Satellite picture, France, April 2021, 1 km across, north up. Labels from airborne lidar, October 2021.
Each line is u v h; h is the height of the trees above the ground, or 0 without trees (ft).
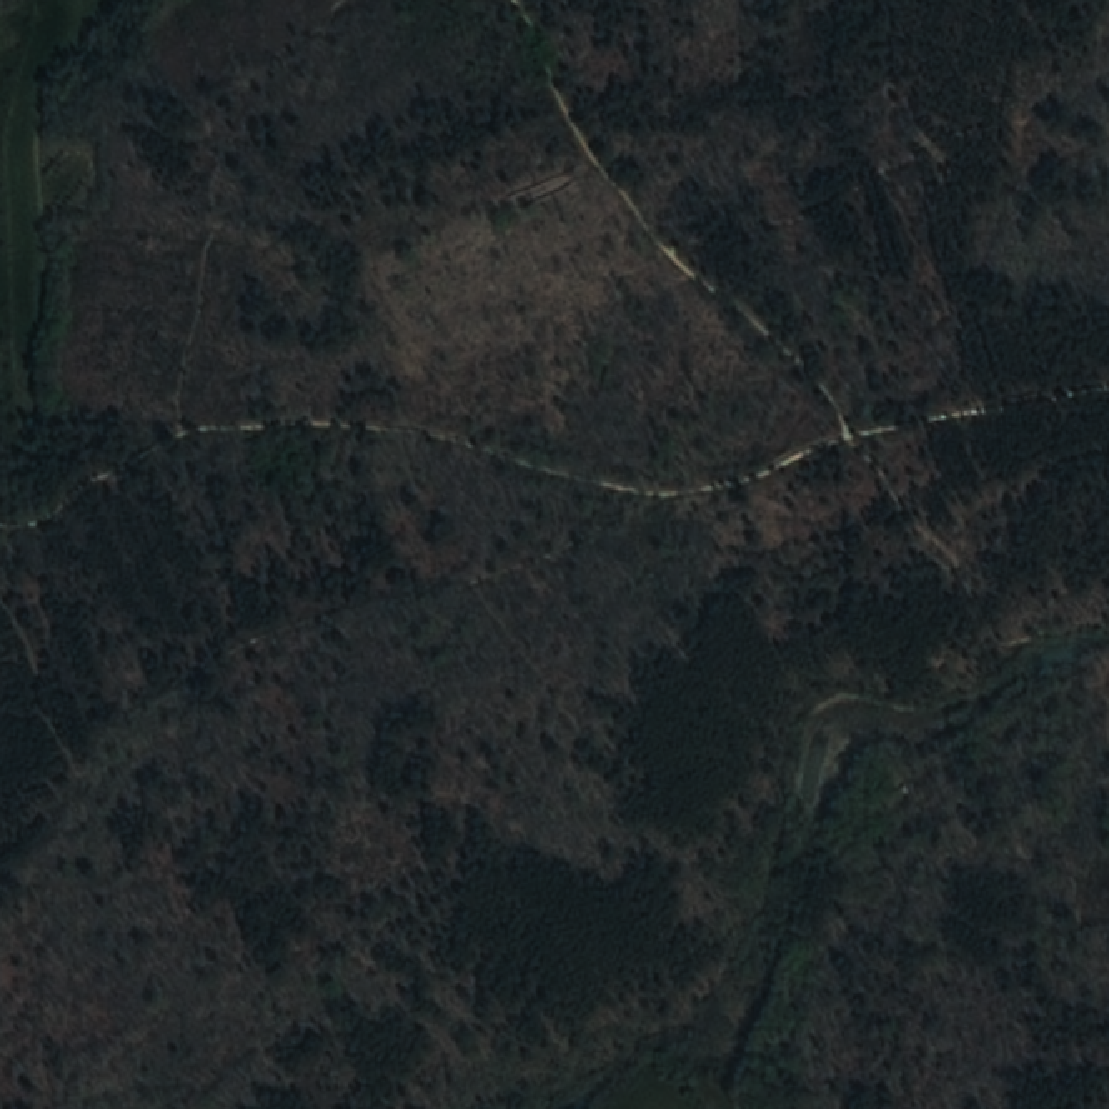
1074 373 73
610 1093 44
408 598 39
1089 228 43
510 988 68
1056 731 53
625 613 44
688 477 50
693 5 73
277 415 61
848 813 84
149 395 21
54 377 56
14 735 36
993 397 52
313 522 36
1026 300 49
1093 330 79
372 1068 65
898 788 59
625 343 60
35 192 0
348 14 31
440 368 45
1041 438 62
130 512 46
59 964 49
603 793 36
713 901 29
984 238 34
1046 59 100
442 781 49
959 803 64
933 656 74
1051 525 89
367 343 60
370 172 75
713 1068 23
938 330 21
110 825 29
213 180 52
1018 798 63
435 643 30
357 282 90
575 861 36
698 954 95
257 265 19
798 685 68
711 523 44
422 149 54
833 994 55
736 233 51
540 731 47
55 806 56
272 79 21
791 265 28
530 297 23
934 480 28
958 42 59
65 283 58
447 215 43
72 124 68
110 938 43
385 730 73
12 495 41
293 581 22
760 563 43
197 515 44
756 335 24
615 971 75
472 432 47
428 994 80
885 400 60
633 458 44
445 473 58
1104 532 75
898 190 27
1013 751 70
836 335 50
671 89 31
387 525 59
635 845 50
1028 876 48
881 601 67
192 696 58
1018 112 70
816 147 22
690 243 58
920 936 67
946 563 48
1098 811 52
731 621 89
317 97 58
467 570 38
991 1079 45
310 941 71
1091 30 107
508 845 49
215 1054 29
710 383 43
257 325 91
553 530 52
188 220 48
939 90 62
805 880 77
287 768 45
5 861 54
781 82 23
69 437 69
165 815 48
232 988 28
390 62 24
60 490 76
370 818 23
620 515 25
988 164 76
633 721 72
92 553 50
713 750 80
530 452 61
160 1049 26
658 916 82
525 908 68
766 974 24
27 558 48
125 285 22
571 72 40
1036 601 62
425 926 27
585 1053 59
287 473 43
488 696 29
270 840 77
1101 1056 28
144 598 41
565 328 27
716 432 43
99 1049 26
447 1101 32
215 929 23
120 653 44
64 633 40
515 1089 50
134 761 48
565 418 50
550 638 40
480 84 23
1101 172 49
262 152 56
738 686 72
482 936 71
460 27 52
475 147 70
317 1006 30
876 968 85
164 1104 41
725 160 41
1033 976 68
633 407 33
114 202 33
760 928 51
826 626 26
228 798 46
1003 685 22
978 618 41
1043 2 78
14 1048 47
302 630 26
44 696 59
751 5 29
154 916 45
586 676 41
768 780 81
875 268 41
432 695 29
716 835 71
